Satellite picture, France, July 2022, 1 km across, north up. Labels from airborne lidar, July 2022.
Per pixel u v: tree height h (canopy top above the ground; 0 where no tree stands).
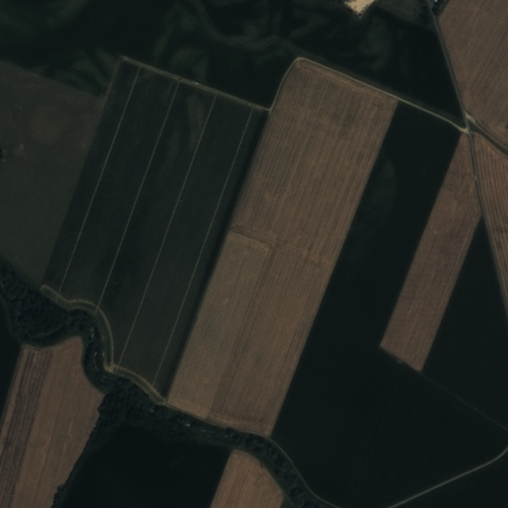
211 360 0
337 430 0
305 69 0
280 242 0
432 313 0
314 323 0
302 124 0
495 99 0
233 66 0
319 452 0
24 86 0
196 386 0
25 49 0
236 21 0
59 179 0
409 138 0
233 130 0
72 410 0
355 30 0
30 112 0
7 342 0
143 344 0
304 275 0
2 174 0
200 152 0
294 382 0
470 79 0
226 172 0
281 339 0
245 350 0
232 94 0
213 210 0
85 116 0
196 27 0
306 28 0
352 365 0
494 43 0
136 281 0
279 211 0
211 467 0
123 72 0
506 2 0
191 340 0
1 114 0
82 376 0
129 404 9
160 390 0
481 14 0
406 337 0
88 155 0
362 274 0
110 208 0
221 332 0
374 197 0
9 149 0
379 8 0
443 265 0
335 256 0
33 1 0
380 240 0
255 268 0
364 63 0
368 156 0
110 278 0
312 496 0
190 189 0
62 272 0
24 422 0
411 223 0
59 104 0
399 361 0
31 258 0
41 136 0
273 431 0
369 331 0
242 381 0
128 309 0
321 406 0
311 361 0
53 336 18
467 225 0
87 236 0
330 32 0
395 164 0
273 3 0
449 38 0
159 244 0
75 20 0
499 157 0
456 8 0
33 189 0
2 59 0
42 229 0
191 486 0
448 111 0
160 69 0
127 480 0
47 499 0
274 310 0
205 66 0
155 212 0
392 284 0
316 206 0
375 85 0
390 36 0
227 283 0
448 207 0
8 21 0
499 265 0
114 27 0
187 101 0
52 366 0
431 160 0
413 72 0
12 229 0
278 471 18
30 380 0
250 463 0
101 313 0
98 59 0
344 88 0
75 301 0
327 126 0
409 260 0
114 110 0
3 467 0
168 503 0
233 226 0
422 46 0
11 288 14
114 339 0
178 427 14
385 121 0
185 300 0
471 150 0
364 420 0
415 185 0
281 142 0
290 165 0
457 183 0
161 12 0
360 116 0
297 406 0
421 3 6
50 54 0
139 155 0
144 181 0
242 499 0
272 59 0
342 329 0
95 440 11
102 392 0
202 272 0
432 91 0
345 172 0
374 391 0
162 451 0
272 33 0
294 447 0
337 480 0
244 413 0
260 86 0
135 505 0
